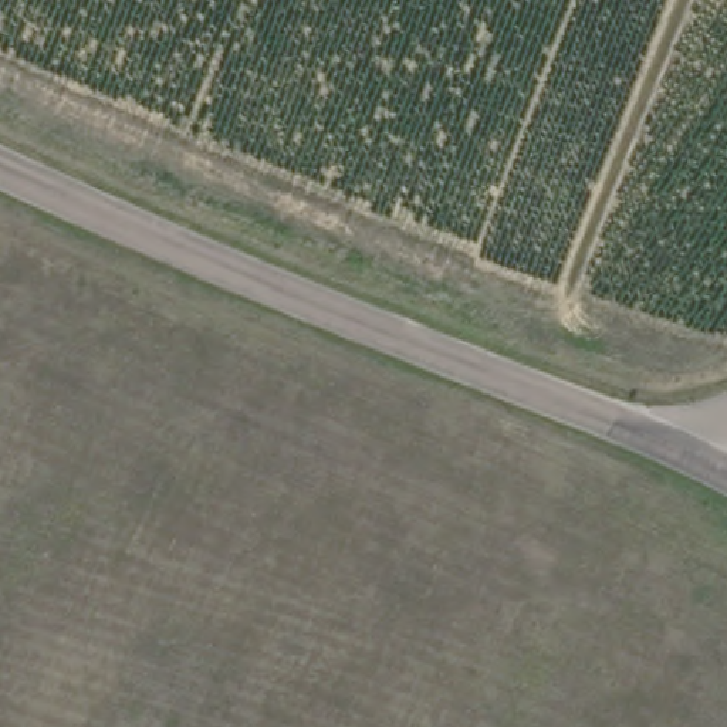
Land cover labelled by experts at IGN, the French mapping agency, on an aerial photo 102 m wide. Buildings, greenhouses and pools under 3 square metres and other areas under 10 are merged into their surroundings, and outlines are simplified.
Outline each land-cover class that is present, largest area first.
<instances>
[{"label":"agricultural land","instance_id":"1","mask_svg":"<svg viewBox=\"0 0 727 727\"><path fill-rule=\"evenodd\" d=\"M0 727H727V497L630 449L613 446L582 429L565 426L540 412L523 409L474 386L457 383L395 355H386L375 346L344 338L318 324L287 315L241 293L210 284L168 261L116 244L105 236H97L80 224H71L54 213H45L0 190Z\"/></svg>","mask_w":727,"mask_h":727},{"label":"vineyard","instance_id":"2","mask_svg":"<svg viewBox=\"0 0 727 727\"><path fill-rule=\"evenodd\" d=\"M0 48H11L17 57L45 71L71 77L74 82H82L102 94L131 97L139 105L165 114L170 122H182L185 116H190V108H199V119H193L190 128L193 133H202V122L210 119L213 139H222L230 148L267 159L278 168L310 176L312 182H324V168L338 165L341 176L332 179V187L344 190L352 199L369 202L375 213L389 216L398 199L415 219H426L437 230H449L460 239L477 241L488 261L537 278L568 281V293L576 301H582V295L594 290V295L599 298L619 301L647 315L684 321L693 329L727 335V0H0Z\"/></svg>","mask_w":727,"mask_h":727},{"label":"herbaceous vegetation","instance_id":"3","mask_svg":"<svg viewBox=\"0 0 727 727\"><path fill-rule=\"evenodd\" d=\"M193 119H199V108H190V116H185L182 122H170L165 114L139 105L131 97L102 94L82 82H74L71 77L45 71L17 57L11 48H0V145L26 153L65 176H74L102 193H111L133 207H142L159 219H168L199 236L247 253L264 264L281 267L293 275H301L349 298L366 301L372 307L406 315L434 332L477 344L483 349H491L503 358L548 372L554 378L571 381L576 386L642 406H682L727 392V335L693 329L684 321L647 315L619 301L599 298L594 295V290L582 295V301H576L568 293V281L537 278L488 261L477 241L460 239L449 230H437L426 219H415L398 199L389 216L375 213L369 202L352 199L344 190L332 187V179L341 176L338 165L324 168V182H312L310 176L278 168L267 159L230 148L222 139H213L210 119L202 122V133H193L190 128Z\"/></svg>","mask_w":727,"mask_h":727},{"label":"impervious surface","instance_id":"4","mask_svg":"<svg viewBox=\"0 0 727 727\"><path fill-rule=\"evenodd\" d=\"M0 190L45 213H54L71 224H80L97 236H105L116 244L168 261L210 284L241 293L287 315L318 324L344 338L375 346L386 355H395L457 383L474 386L523 409L540 412L565 426L582 429L613 446L630 449L727 497V392L682 406H642L576 386L571 381L554 378L548 372L503 358L491 349H483L477 344L434 332L406 315L372 307L366 301L349 298L301 275H293L281 267L264 264L247 253L199 236L168 219H159L142 207H133L111 193H102L74 176H65L26 153L0 145Z\"/></svg>","mask_w":727,"mask_h":727}]
</instances>
